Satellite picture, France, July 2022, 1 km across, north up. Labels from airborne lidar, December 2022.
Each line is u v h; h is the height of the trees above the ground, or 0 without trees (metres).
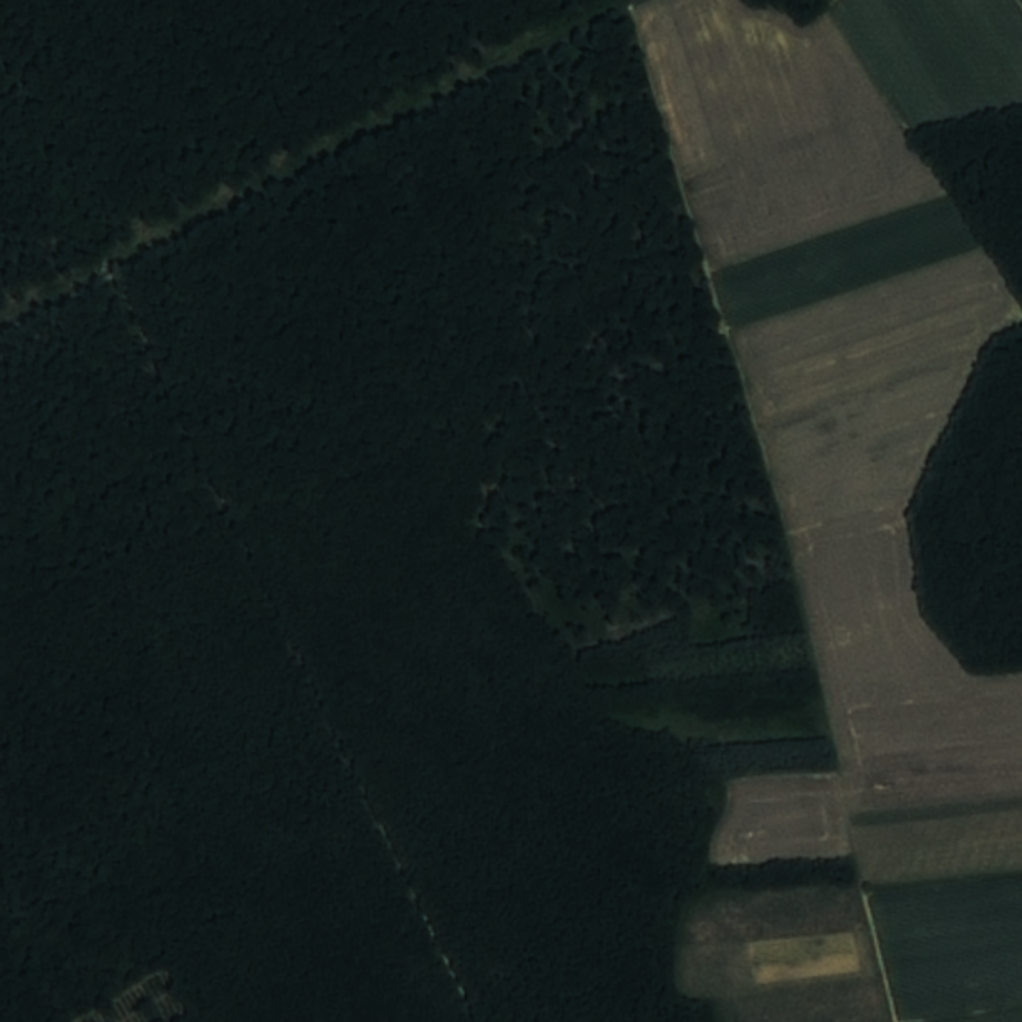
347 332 33
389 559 24
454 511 25
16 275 30
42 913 25
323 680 20
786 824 0
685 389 27
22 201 32
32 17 35
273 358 34
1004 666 16
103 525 34
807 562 0
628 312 29
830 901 0
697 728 0
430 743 19
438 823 17
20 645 26
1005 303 0
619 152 23
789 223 0
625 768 20
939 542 20
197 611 19
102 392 30
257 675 19
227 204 0
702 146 0
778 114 0
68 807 23
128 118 34
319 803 9
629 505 26
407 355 33
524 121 31
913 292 0
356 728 24
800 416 0
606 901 23
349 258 34
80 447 31
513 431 28
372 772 17
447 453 26
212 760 19
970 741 0
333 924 21
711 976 0
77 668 24
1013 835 0
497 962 22
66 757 19
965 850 0
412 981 17
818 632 0
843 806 0
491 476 26
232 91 30
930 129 17
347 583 24
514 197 31
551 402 27
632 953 21
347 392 29
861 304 0
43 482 33
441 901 19
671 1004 18
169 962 24
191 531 33
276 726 21
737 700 15
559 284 26
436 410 32
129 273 30
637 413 26
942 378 0
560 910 20
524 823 18
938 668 0
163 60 35
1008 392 27
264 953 23
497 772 18
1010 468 23
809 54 0
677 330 27
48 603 26
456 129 34
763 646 13
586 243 30
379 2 36
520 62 0
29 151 34
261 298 36
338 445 32
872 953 0
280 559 24
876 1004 0
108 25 33
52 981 26
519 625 22
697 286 24
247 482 32
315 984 21
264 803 17
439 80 33
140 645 23
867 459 0
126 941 27
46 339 29
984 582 25
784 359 0
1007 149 23
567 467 26
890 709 0
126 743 23
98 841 19
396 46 34
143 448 33
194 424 30
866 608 0
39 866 19
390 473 26
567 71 25
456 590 21
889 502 0
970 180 23
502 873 19
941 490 22
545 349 29
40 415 32
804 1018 0
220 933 24
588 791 18
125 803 19
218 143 34
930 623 9
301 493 18
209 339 30
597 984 18
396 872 16
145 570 24
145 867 22
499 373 31
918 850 0
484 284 33
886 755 0
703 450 26
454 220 31
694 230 23
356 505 26
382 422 32
